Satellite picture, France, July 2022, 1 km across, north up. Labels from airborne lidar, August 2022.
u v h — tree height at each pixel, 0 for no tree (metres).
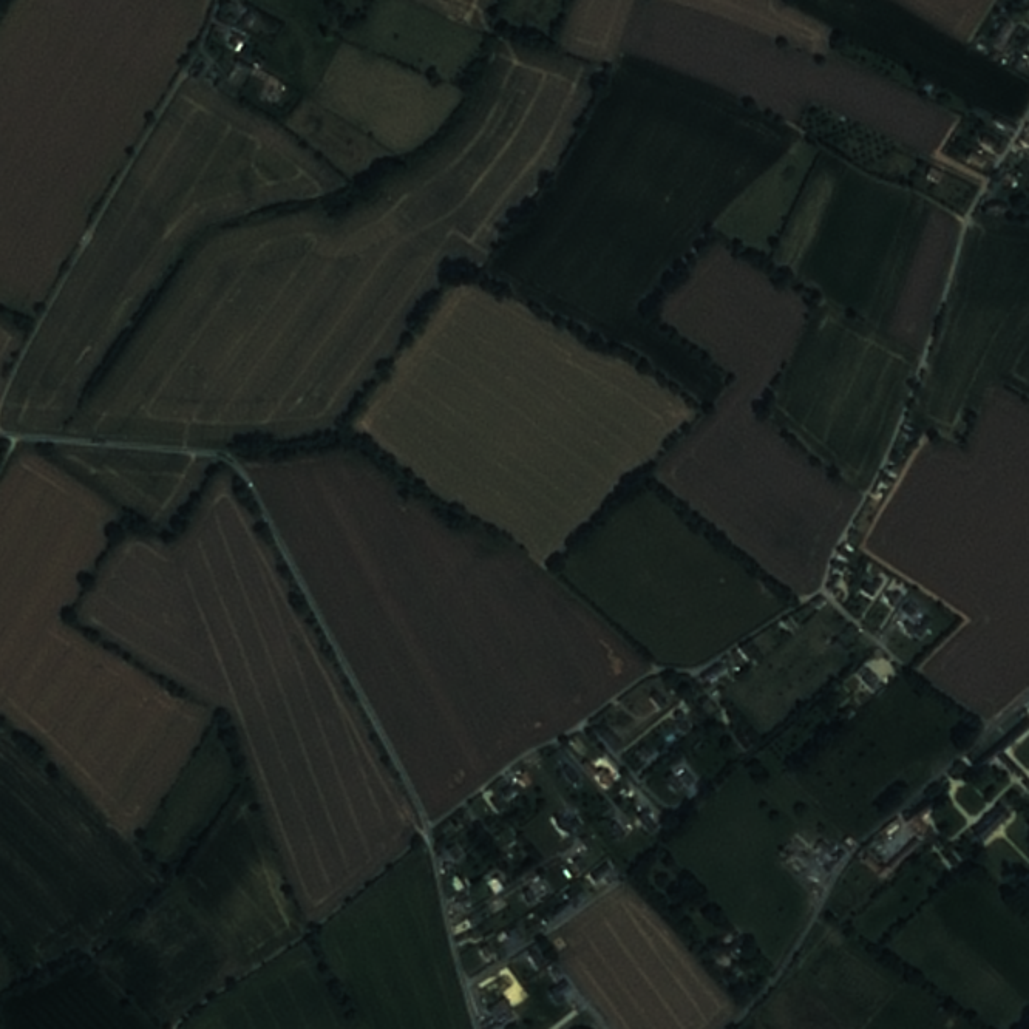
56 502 0
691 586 0
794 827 0
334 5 11
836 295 0
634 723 0
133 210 0
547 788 0
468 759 0
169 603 0
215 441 0
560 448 0
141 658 0
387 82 0
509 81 0
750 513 0
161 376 0
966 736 20
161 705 0
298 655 0
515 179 0
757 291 0
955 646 0
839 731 19
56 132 0
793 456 0
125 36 0
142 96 0
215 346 0
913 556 0
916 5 0
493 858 16
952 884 13
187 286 0
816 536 0
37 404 0
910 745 0
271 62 0
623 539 0
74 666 0
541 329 0
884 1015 0
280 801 0
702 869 0
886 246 0
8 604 0
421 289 0
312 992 0
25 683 0
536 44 14
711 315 0
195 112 0
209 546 0
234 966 0
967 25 0
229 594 0
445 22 0
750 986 10
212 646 0
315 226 0
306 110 0
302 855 0
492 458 0
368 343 0
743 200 0
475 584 0
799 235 0
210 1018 0
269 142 0
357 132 0
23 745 15
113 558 0
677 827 17
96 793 0
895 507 0
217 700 0
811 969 0
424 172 0
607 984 0
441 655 0
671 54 0
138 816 0
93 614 0
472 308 0
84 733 0
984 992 0
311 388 0
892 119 0
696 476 0
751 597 0
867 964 0
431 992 0
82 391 6
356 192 6
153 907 7
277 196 0
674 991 0
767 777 12
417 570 0
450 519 20
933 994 11
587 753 0
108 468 0
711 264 0
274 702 0
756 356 0
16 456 0
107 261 0
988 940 0
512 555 0
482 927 7
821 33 0
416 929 0
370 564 0
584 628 0
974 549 0
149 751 0
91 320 0
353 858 0
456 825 9
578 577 0
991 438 0
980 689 0
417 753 0
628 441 0
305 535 0
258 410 0
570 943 0
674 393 9
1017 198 13
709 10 0
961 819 0
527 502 0
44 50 0
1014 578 0
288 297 0
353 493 0
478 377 0
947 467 0
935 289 0
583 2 0
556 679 0
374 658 0
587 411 0
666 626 0
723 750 13
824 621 0
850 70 0
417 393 0
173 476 0
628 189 0
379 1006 0
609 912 0
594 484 0
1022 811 8
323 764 0
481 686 0
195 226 0
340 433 8
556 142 0
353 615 0
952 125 0
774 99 0
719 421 0
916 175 7
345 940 0
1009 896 21
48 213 0
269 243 0
